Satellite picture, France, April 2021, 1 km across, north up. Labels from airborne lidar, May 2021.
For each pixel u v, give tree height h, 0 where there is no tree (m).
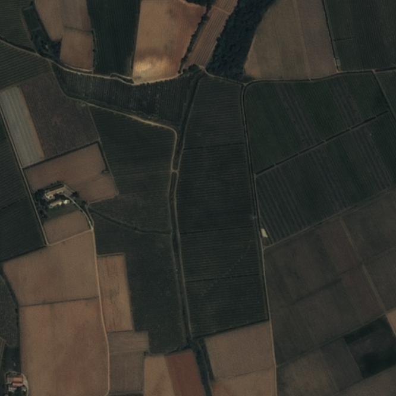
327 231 0
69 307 0
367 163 0
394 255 0
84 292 0
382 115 7
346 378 0
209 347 0
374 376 0
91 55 0
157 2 0
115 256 0
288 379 0
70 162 0
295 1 0
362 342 0
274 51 0
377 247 0
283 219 0
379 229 0
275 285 0
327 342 0
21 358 0
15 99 0
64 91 0
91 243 0
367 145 0
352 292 0
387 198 0
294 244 0
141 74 0
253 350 0
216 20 0
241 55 12
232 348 0
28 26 0
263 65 0
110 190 0
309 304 0
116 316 0
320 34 0
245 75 0
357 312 0
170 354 0
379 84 7
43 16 0
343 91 0
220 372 0
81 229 0
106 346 0
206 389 6
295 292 0
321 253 0
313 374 0
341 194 0
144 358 0
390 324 0
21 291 0
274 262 0
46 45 6
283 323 0
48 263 0
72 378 0
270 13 0
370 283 0
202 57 0
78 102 0
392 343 0
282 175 0
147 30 0
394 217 0
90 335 0
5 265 0
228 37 15
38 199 10
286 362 0
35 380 0
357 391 0
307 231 0
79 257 0
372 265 0
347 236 0
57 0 0
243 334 0
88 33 0
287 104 0
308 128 0
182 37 0
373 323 0
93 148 0
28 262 0
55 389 0
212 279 6
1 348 0
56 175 0
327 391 0
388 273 0
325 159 0
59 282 0
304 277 0
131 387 0
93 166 0
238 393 0
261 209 0
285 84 0
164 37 0
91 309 0
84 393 0
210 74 7
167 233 0
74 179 0
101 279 0
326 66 0
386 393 0
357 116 0
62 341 0
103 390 0
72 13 0
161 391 0
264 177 0
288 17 0
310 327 0
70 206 0
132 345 0
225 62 9
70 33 0
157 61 0
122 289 0
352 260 0
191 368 0
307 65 0
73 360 0
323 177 0
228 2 0
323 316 0
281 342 0
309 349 0
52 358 0
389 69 12
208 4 7
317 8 0
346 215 0
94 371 0
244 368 0
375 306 0
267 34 0
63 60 0
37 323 0
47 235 0
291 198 0
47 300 0
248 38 14
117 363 0
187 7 0
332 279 0
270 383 0
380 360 0
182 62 8
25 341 0
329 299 0
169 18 0
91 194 0
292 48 0
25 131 0
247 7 11
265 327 0
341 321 0
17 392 14
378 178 0
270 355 0
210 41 0
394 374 0
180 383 0
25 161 0
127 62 0
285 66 0
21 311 0
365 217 0
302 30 0
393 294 0
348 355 0
